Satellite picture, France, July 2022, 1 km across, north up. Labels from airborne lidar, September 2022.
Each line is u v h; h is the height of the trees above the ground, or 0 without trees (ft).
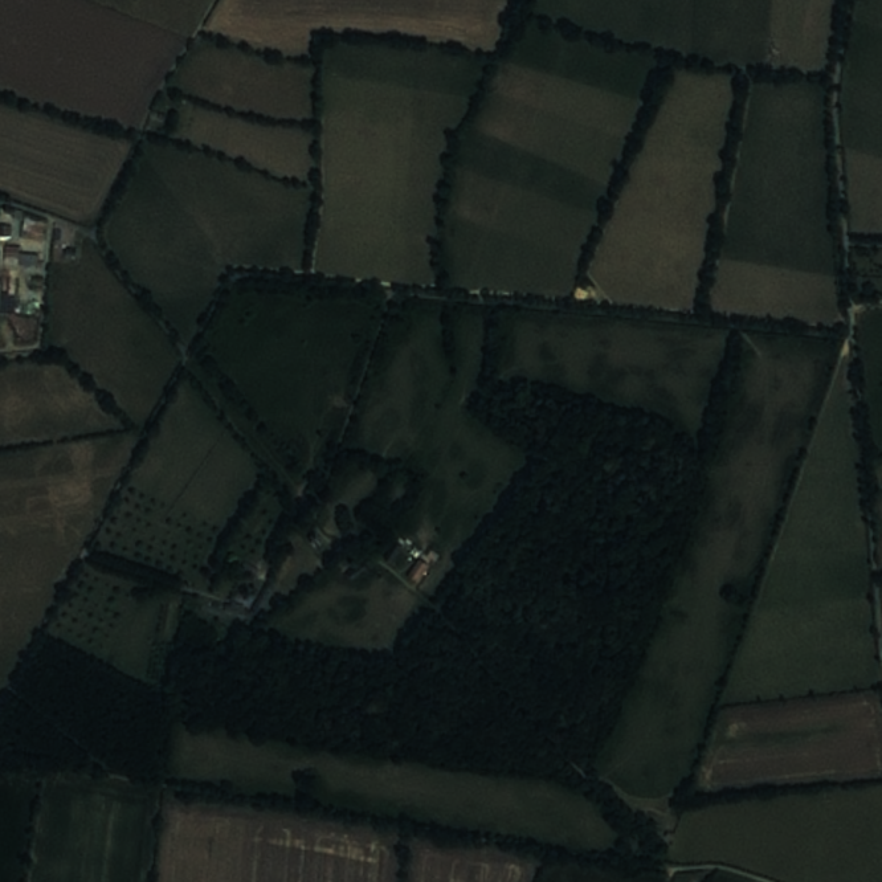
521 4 75
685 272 0
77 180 0
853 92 0
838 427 0
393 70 0
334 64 0
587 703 62
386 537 40
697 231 0
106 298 0
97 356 0
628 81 0
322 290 32
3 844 0
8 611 0
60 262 0
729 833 0
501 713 79
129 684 44
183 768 0
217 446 0
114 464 0
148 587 40
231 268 31
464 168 0
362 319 0
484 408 38
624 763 0
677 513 86
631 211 0
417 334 0
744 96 53
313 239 43
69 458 0
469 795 0
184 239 0
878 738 0
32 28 0
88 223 0
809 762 0
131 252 0
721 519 0
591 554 63
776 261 0
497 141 0
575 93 0
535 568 89
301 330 0
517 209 0
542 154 0
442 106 0
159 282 0
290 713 71
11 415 0
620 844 35
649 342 0
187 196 0
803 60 0
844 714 0
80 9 0
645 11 0
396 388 0
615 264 0
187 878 0
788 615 0
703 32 0
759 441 0
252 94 0
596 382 0
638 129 47
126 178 39
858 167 0
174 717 43
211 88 0
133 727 52
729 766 0
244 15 0
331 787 0
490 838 46
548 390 35
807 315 0
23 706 50
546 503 75
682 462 84
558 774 43
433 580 0
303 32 0
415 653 80
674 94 0
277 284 38
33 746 49
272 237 0
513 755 77
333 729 77
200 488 0
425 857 0
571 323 0
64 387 0
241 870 0
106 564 43
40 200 0
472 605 78
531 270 0
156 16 0
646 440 78
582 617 91
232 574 42
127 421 30
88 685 49
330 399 0
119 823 0
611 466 80
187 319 0
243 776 0
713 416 55
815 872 0
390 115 0
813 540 0
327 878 0
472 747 72
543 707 78
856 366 36
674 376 0
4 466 0
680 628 0
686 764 0
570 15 0
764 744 0
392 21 0
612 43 72
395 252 0
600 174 0
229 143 0
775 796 42
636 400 0
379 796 0
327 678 71
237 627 55
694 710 0
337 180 0
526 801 0
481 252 0
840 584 0
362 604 0
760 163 0
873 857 0
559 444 93
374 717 81
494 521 60
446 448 0
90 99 0
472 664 77
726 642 0
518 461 0
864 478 37
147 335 0
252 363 0
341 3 0
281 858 0
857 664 0
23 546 0
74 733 47
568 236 0
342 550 58
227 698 72
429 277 0
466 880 0
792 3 0
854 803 0
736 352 59
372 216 0
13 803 0
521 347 0
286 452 20
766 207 0
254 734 89
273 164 0
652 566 82
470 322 0
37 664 51
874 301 36
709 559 0
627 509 88
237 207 0
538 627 65
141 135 34
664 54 57
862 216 0
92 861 0
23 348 0
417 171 0
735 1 0
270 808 46
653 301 0
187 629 31
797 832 0
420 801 0
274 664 84
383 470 59
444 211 50
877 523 38
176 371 19
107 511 26
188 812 0
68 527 0
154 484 0
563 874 0
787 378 0
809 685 0
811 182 0
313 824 0
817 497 0
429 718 77
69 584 32
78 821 0
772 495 0
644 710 0
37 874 0
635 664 29
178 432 0
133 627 0
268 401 0
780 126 0
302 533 0
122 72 0
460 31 0
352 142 0
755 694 0
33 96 0
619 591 92
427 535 0
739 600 33
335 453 39
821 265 0
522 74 0
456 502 0
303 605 0
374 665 63
